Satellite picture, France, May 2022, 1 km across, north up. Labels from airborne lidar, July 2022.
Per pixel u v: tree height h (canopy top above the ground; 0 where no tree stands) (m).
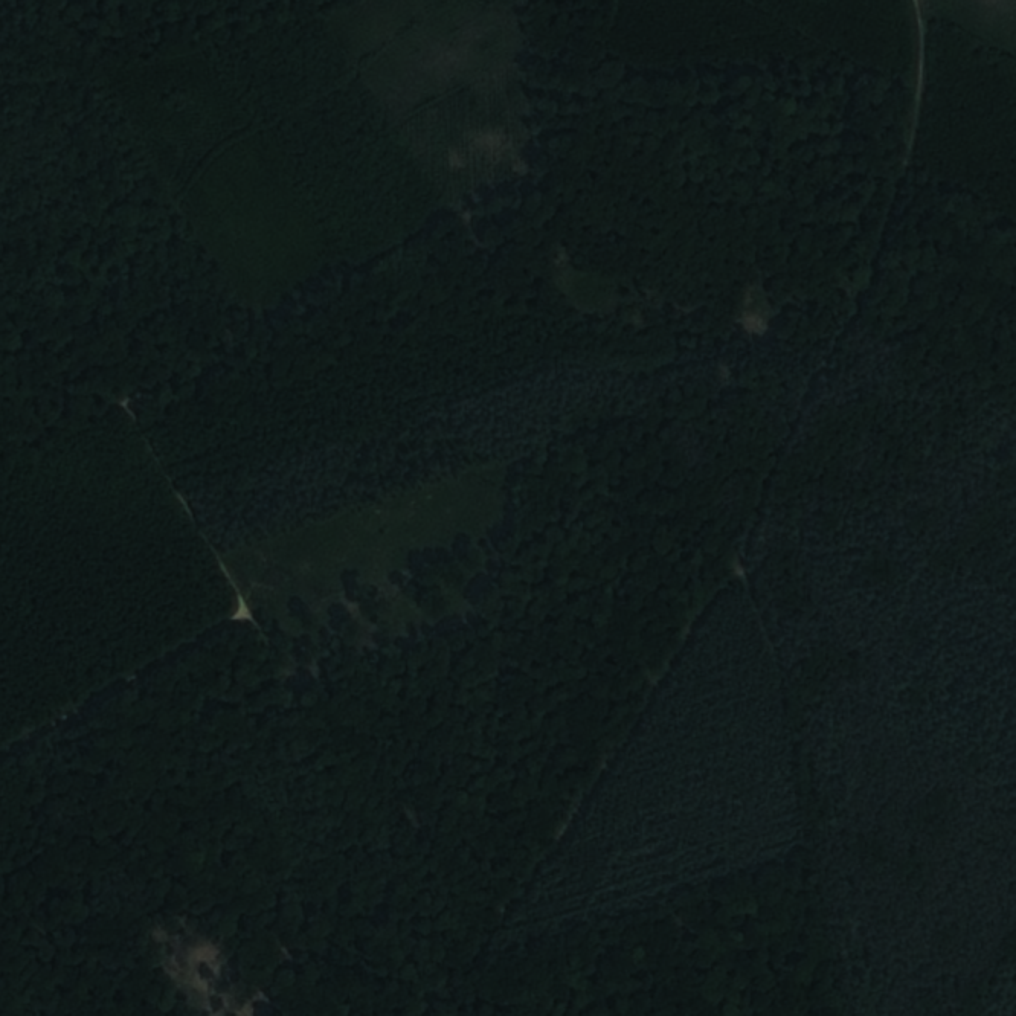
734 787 12
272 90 17
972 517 27
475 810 31
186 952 0
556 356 22
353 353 26
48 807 31
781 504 18
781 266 22
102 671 21
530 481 28
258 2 29
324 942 24
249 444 22
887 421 23
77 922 27
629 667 26
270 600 0
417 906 30
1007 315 31
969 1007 23
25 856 29
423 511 0
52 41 24
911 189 17
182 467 18
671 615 26
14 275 20
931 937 24
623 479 26
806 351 26
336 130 11
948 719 29
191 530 16
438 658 30
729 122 31
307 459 25
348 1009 30
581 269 21
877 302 19
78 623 20
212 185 6
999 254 34
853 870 24
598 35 16
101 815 31
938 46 12
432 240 30
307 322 31
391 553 0
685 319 20
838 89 29
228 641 28
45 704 20
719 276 26
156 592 20
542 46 13
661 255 23
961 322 30
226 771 29
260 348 29
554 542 30
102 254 21
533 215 31
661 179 22
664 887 15
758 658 16
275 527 30
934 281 31
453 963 27
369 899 24
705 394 21
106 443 18
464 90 6
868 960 26
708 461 23
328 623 0
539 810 28
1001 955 22
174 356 27
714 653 15
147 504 14
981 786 26
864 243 28
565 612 30
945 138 9
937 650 26
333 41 12
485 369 21
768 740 18
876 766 25
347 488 24
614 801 15
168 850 26
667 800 14
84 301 26
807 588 25
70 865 32
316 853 25
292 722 28
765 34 7
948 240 31
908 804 22
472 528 0
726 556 27
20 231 26
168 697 25
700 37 9
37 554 19
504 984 27
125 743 29
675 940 25
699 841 15
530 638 30
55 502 17
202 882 33
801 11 7
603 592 28
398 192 14
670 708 12
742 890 21
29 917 29
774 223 25
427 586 27
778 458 22
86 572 19
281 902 26
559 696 28
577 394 35
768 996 16
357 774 24
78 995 29
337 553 0
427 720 27
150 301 27
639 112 32
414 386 19
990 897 24
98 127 24
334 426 23
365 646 0
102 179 27
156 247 27
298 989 33
